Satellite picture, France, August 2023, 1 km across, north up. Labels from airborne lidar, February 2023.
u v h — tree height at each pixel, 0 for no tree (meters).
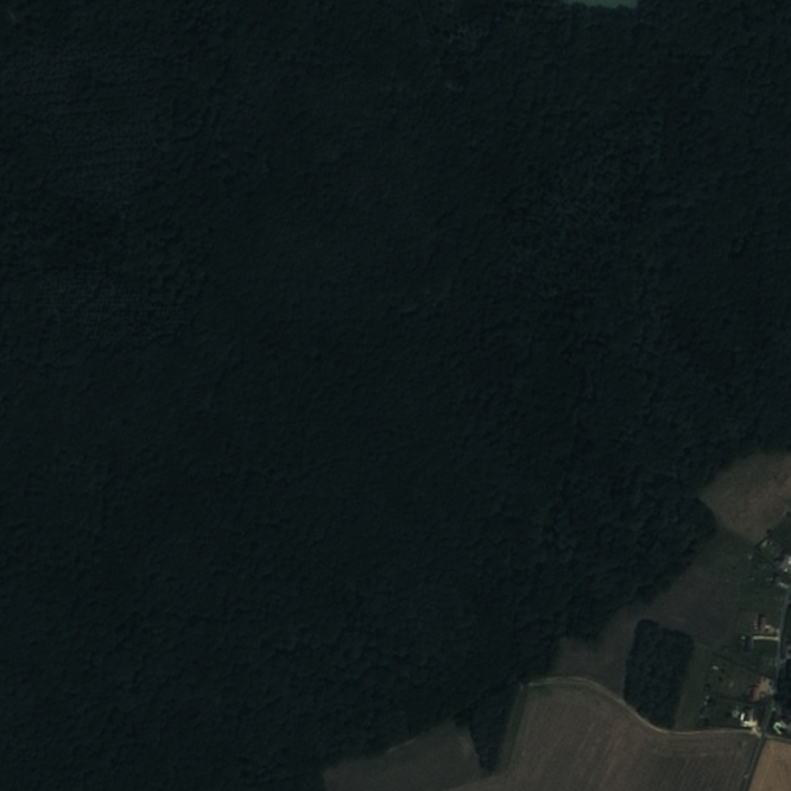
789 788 0
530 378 24
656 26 25
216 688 20
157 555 21
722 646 0
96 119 17
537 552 24
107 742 20
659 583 21
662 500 12
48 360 21
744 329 24
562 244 21
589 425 25
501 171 16
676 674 14
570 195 7
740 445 18
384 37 27
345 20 22
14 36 14
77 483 19
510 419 12
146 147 17
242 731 23
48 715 17
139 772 22
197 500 19
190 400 21
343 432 24
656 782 0
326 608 22
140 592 15
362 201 24
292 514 20
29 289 9
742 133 20
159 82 15
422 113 20
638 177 7
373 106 19
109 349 11
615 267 21
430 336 20
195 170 22
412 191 23
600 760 0
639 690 15
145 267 12
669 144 13
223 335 21
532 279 24
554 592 25
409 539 23
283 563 23
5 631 25
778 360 29
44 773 17
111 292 13
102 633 22
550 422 13
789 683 13
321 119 24
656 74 16
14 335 11
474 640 17
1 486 19
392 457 23
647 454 27
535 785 0
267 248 23
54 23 12
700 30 28
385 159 25
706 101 21
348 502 26
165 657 24
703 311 19
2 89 14
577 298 7
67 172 16
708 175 21
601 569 22
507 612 13
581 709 0
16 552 11
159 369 24
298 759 22
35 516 21
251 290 23
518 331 21
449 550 26
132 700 28
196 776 21
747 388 19
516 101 28
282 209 23
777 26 25
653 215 26
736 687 0
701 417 27
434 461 22
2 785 19
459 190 25
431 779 0
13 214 24
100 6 16
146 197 20
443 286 25
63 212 16
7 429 23
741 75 26
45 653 23
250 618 18
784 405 24
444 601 30
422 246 27
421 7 12
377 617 28
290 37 24
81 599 11
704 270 23
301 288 27
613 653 0
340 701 21
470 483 22
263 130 22
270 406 21
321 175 23
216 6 12
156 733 28
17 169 23
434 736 0
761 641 0
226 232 27
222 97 22
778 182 22
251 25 15
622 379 26
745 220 14
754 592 0
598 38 25
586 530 23
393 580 25
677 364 24
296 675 11
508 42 22
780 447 20
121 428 21
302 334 26
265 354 22
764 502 0
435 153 24
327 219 23
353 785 0
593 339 13
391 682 27
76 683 21
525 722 0
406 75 25
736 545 0
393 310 27
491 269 15
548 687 0
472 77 23
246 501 23
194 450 16
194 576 21
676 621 0
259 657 21
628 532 24
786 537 0
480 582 23
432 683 15
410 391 26
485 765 14
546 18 10
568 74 29
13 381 23
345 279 21
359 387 23
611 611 9
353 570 26
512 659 14
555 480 15
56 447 22
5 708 26
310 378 23
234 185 24
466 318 14
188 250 14
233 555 15
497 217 19
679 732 0
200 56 18
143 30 15
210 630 26
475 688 17
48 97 16
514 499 32
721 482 0
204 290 24
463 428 24
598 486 20
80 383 23
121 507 12
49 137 10
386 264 23
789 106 27
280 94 24
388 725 27
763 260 21
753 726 0
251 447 18
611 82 25
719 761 0
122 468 15
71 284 9
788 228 25
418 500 22
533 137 23
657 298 21
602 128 6
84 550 12
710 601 0
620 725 0
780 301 24
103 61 12
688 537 26
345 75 20
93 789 23
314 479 21
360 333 22
